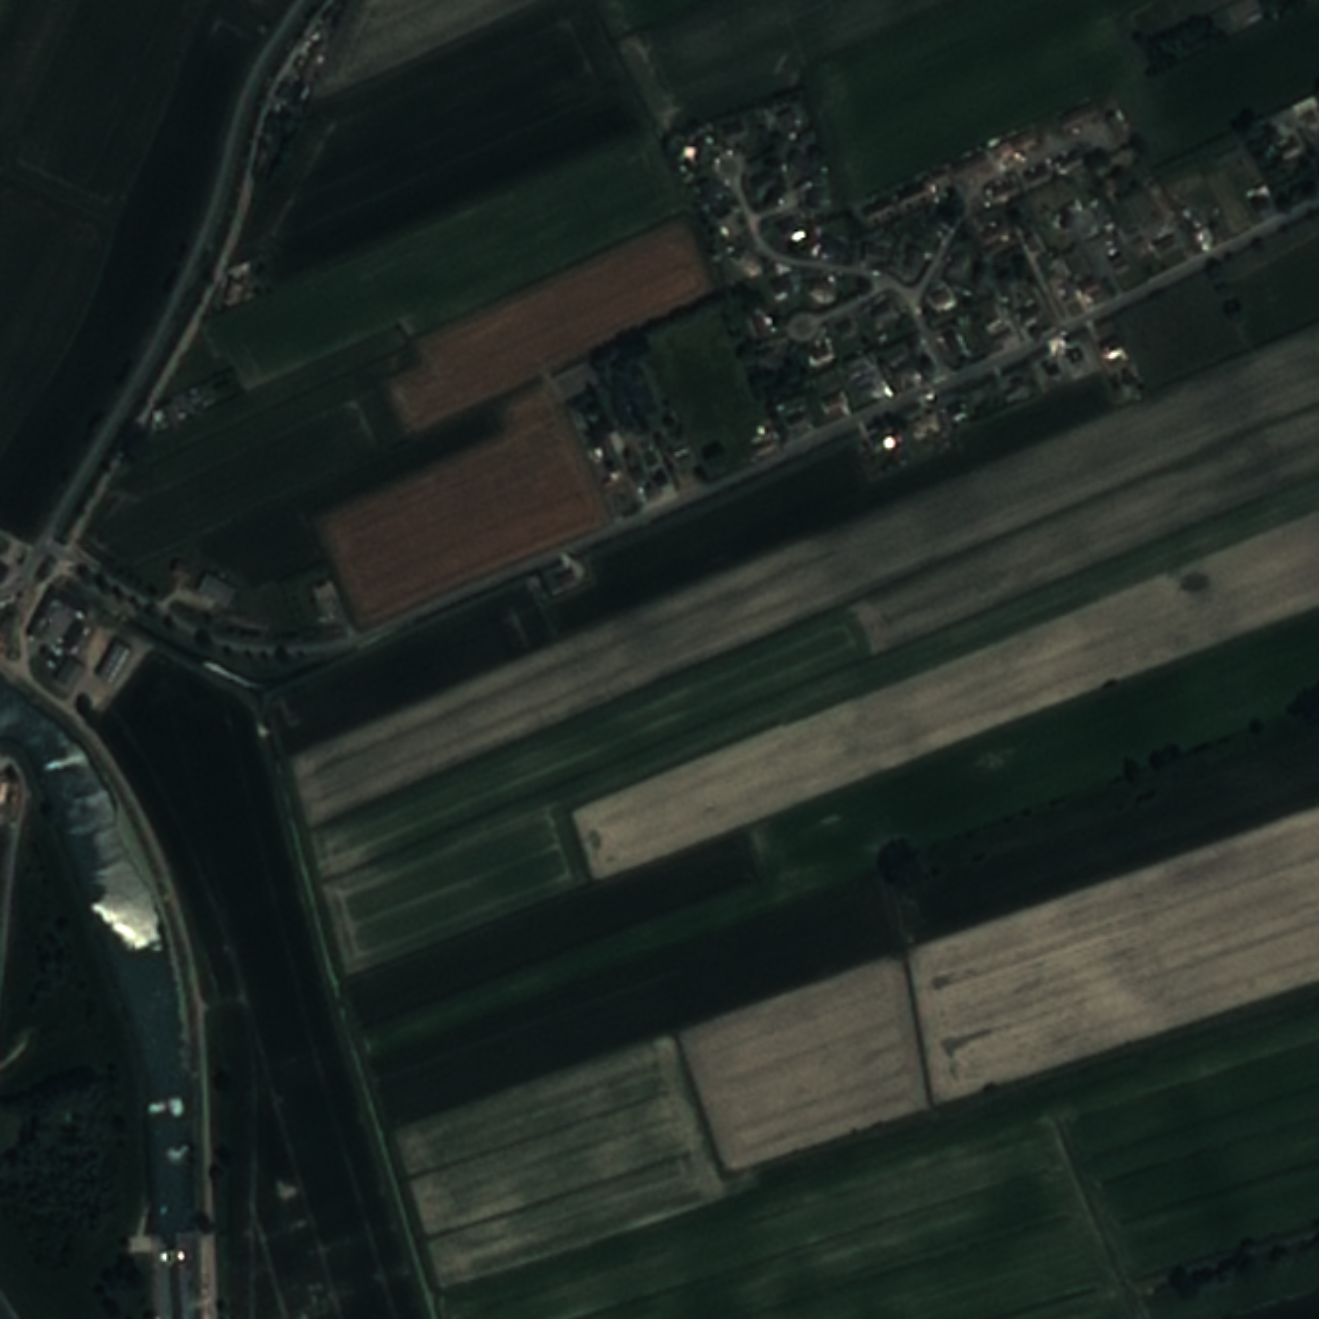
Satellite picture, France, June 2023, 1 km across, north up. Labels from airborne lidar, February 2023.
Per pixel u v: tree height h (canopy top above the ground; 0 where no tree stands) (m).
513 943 0
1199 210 12
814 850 0
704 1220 0
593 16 0
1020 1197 0
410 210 0
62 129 0
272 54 0
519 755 0
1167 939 0
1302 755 0
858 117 0
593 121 0
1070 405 0
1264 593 0
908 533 0
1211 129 0
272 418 0
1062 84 0
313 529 0
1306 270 0
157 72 0
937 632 0
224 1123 0
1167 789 0
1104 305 0
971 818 0
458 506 0
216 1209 0
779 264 0
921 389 0
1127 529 0
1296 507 0
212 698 0
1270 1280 0
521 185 0
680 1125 0
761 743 0
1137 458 0
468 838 0
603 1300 0
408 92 0
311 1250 0
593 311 0
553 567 0
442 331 0
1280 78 0
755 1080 0
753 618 0
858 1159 0
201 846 0
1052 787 0
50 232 0
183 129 0
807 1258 0
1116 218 0
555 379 0
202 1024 0
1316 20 0
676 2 0
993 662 0
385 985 0
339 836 0
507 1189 0
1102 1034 0
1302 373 0
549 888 0
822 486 0
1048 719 0
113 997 0
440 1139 0
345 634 0
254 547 0
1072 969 0
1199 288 0
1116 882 0
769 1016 0
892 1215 0
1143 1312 0
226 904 0
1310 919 0
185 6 0
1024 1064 0
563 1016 0
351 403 0
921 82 0
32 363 0
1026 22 0
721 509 0
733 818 0
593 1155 0
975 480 0
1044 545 0
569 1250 0
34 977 0
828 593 0
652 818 0
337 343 0
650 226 0
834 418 0
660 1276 0
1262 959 0
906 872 27
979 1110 0
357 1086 0
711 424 0
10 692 0
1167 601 0
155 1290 0
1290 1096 0
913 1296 0
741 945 0
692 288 0
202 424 0
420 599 0
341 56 0
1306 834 0
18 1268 0
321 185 0
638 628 0
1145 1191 0
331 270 0
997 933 0
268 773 0
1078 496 0
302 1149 0
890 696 0
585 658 0
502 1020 0
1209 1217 0
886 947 0
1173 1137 0
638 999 0
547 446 0
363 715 0
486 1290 0
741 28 0
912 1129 0
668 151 7
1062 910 0
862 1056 0
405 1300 0
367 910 0
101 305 0
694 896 0
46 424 0
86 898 0
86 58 0
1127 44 0
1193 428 0
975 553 0
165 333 0
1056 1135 0
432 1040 0
